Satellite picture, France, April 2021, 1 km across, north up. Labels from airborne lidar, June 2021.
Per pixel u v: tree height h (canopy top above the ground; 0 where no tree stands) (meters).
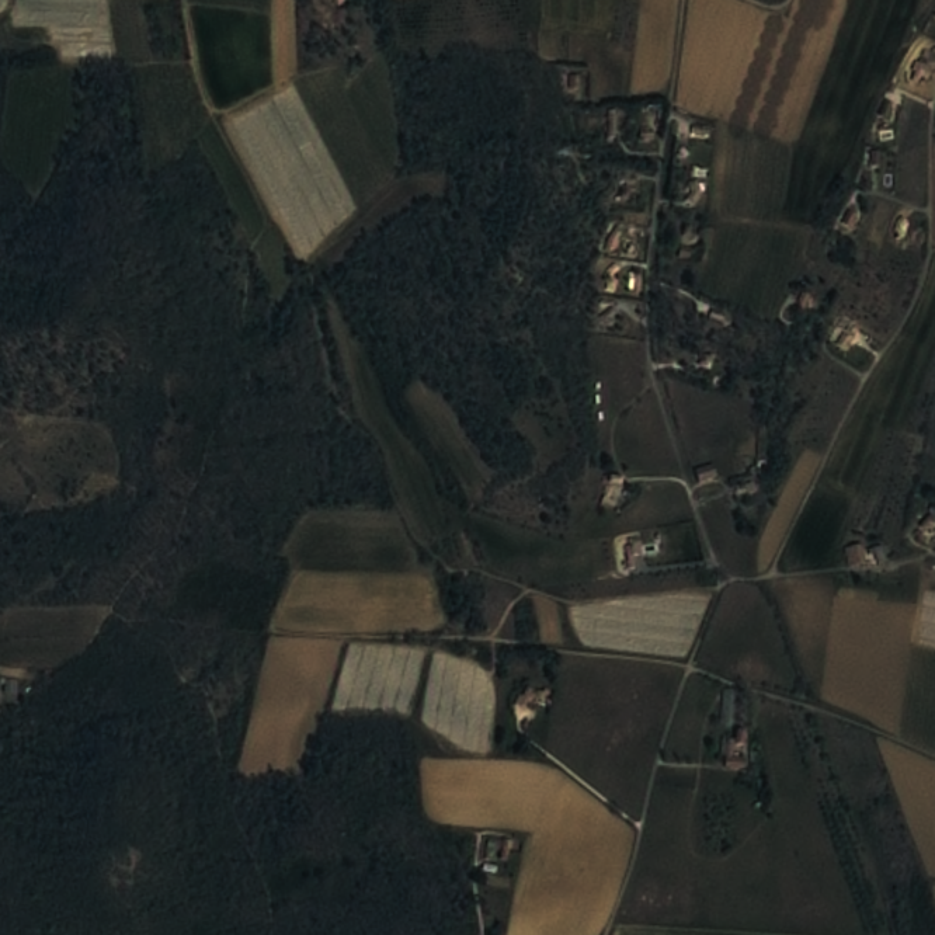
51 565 6
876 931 10
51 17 0
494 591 0
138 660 11
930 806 0
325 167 0
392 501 11
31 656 0
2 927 8
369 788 7
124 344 8
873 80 0
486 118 12
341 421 14
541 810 0
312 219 0
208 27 0
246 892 14
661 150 0
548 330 9
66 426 0
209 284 11
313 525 0
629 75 0
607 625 0
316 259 0
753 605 0
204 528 16
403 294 16
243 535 16
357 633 0
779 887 0
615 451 0
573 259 6
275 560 10
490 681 0
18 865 6
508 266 11
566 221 10
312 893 8
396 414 14
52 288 8
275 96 0
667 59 0
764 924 0
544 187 6
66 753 9
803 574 0
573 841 0
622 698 0
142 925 11
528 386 14
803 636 0
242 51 0
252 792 15
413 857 11
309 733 0
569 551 0
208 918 8
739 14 0
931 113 0
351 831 7
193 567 15
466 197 11
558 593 0
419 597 0
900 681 0
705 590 0
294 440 11
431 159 11
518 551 0
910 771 0
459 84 17
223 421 11
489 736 0
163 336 13
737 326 11
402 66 6
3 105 12
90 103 12
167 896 10
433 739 0
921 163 0
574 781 0
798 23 0
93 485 0
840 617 0
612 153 7
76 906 8
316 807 10
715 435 0
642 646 0
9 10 0
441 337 10
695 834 0
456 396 9
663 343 16
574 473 10
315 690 0
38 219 12
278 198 0
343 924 16
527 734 11
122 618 11
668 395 8
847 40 0
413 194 0
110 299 11
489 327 14
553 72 12
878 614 0
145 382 7
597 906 0
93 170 13
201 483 10
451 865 16
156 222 10
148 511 10
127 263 11
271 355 9
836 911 0
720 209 0
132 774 11
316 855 9
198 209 10
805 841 0
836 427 0
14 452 0
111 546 10
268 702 0
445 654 0
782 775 0
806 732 8
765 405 14
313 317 7
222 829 14
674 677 0
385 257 9
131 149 14
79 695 13
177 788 9
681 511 0
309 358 13
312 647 0
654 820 0
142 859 6
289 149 0
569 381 10
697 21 0
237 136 0
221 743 11
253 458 13
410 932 22
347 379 7
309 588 0
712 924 0
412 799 9
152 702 12
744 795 0
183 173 8
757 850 0
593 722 0
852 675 0
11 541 7
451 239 13
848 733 0
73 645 0
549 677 13
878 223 0
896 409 0
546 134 8
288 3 0
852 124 0
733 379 14
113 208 17
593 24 0
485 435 11
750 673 0
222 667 7
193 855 12
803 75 0
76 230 13
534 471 10
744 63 0
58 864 9
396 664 0
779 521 0
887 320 0
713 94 0
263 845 13
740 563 0
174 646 9
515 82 9
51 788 13
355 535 0
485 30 0
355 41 11
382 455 12
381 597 0
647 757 0
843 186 13
